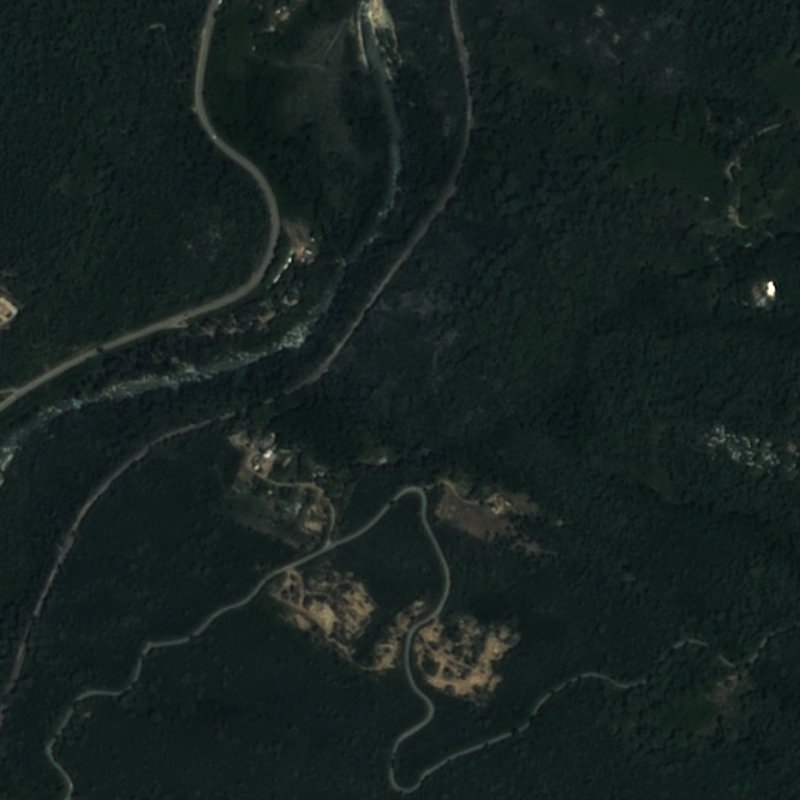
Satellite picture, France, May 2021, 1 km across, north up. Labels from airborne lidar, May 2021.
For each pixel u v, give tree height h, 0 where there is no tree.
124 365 25
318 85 0
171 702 8
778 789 8
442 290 7
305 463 12
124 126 9
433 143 14
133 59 15
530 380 11
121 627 7
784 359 12
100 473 6
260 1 9
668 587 7
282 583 0
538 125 6
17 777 11
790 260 15
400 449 12
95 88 16
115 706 10
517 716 9
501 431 17
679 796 8
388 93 0
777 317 17
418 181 18
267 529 0
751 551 6
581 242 8
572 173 13
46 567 6
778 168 13
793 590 12
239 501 0
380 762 7
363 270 13
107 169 14
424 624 0
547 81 0
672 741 10
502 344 9
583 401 22
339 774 6
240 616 6
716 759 8
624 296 16
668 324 11
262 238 6
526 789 9
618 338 11
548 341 16
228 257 11
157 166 16
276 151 26
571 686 8
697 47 6
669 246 15
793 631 11
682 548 5
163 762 6
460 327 11
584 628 6
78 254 12
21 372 11
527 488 9
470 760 8
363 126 16
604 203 15
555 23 13
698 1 13
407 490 0
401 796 8
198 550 9
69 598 7
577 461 13
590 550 14
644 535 6
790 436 11
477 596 6
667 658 9
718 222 0
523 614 6
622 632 11
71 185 0
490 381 10
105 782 9
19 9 14
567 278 12
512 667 8
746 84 6
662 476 0
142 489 6
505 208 16
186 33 13
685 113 12
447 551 9
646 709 13
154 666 9
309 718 7
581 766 8
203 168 20
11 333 15
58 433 6
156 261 13
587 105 11
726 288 9
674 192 13
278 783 10
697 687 12
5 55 13
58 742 7
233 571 6
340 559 0
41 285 14
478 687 12
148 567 6
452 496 0
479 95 11
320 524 0
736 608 11
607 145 12
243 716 13
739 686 0
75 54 15
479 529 0
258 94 10
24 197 11
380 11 0
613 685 11
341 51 0
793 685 11
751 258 22
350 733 9
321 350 10
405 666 0
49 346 9
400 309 7
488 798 9
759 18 14
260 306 14
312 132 19
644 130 11
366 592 0
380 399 10
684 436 9
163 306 14
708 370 9
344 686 11
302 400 8
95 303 10
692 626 10
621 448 11
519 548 8
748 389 14
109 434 10
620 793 9
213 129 0
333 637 9
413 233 10
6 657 12
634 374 13
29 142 6
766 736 17
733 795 8
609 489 14
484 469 16
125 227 9
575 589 10
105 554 6
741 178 16
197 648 11
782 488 10
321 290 10
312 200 8
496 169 19
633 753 12
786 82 0
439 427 14
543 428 14
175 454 11
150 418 15
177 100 17
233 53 0
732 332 19
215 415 10
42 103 10
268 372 23
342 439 13
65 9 12
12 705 7
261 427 13
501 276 9
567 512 7
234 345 14
